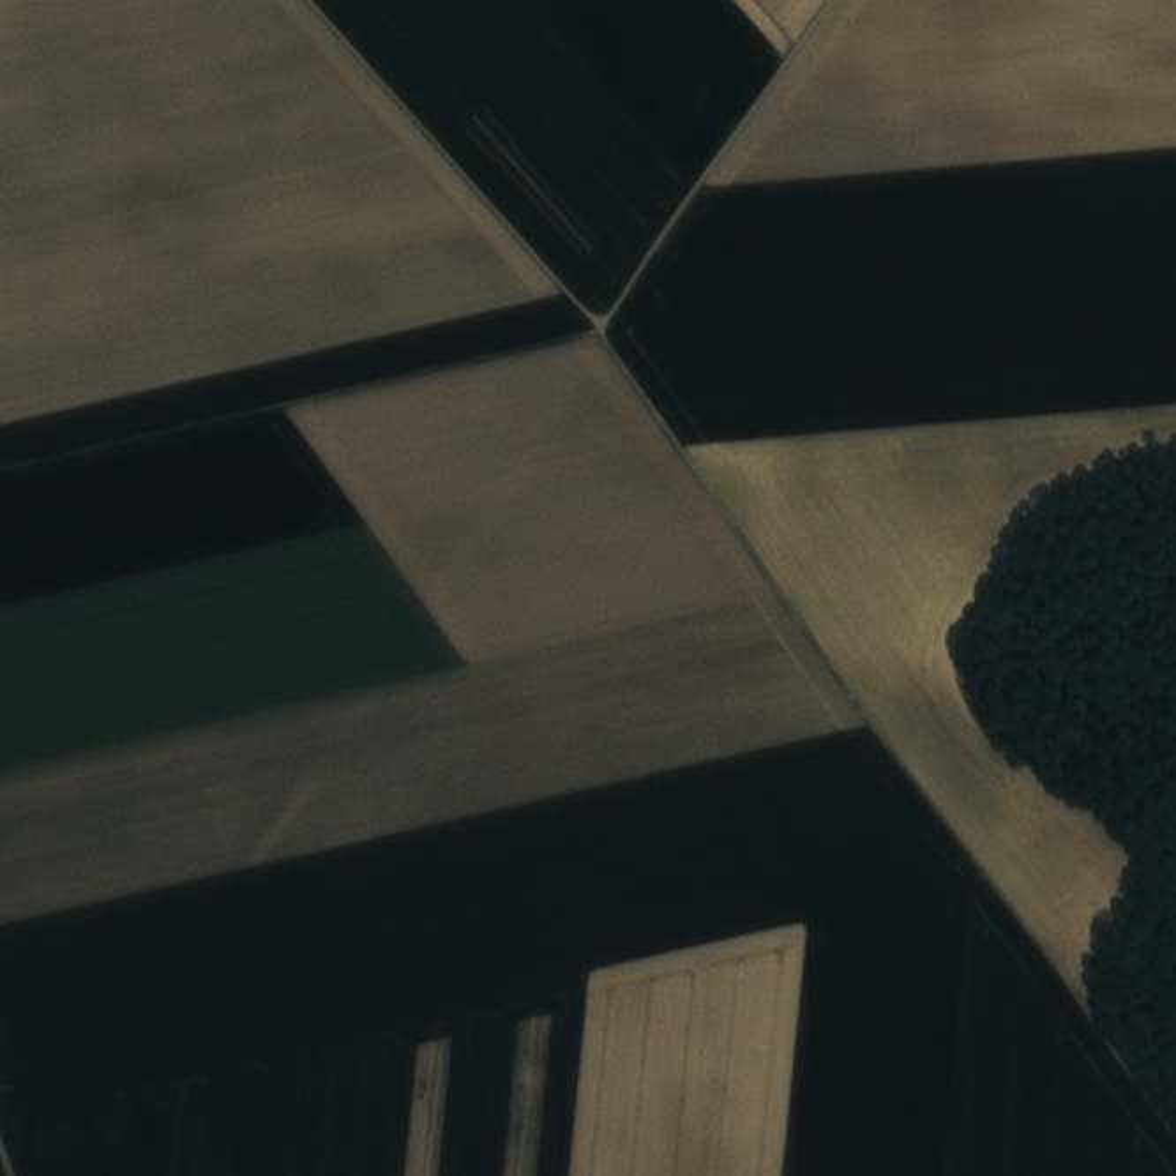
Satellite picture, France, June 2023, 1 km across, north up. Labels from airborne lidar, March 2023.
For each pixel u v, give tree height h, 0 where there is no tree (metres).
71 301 0
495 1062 0
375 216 0
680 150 0
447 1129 0
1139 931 22
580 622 0
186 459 0
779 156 0
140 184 0
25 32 0
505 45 0
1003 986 0
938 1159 0
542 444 0
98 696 0
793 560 0
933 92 0
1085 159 0
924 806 0
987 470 0
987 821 0
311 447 0
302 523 0
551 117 0
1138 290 0
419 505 0
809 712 0
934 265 0
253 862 0
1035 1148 0
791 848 0
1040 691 23
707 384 0
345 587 0
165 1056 0
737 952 0
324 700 0
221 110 0
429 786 0
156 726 0
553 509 0
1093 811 20
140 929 0
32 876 0
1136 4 0
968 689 7
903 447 0
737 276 0
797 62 0
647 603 0
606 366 0
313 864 0
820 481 0
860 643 0
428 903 0
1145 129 0
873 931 0
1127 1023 20
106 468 0
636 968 0
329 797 0
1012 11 0
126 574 0
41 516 0
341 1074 0
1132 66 0
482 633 0
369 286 0
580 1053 0
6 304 0
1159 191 0
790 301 0
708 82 0
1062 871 0
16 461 0
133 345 0
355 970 0
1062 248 0
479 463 0
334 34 0
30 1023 0
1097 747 24
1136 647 26
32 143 0
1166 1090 18
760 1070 0
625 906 0
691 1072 0
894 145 0
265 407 0
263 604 0
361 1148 0
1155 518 28
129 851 0
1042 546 22
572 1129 0
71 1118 0
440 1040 0
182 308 0
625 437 0
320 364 0
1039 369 0
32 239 0
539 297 0
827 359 0
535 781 0
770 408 0
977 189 0
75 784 0
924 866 0
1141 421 0
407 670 0
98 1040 0
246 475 0
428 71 0
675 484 0
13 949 0
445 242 0
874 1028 0
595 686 0
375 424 0
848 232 0
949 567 0
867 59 0
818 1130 0
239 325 0
